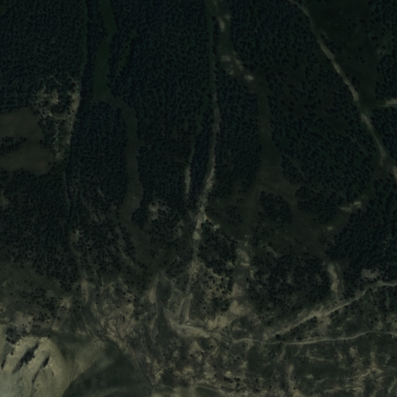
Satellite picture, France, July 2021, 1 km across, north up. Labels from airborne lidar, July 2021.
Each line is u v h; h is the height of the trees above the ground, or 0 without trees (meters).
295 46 18
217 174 8
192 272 0
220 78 8
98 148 13
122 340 0
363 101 0
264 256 0
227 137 7
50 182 10
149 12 20
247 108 20
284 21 17
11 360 0
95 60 12
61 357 0
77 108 0
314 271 10
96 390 0
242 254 0
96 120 19
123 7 16
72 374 0
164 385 0
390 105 0
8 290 0
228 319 0
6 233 8
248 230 0
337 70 0
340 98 13
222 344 0
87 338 0
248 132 13
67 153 7
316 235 0
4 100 14
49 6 13
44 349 0
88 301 0
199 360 0
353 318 0
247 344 0
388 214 20
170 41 13
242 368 0
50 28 10
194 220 0
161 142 12
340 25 0
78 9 15
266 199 10
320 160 22
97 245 8
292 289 6
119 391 0
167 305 0
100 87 0
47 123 8
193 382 0
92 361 0
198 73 15
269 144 0
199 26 16
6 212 8
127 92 17
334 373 0
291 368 0
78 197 9
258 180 0
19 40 9
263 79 0
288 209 9
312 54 16
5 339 0
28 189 13
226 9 0
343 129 0
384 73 15
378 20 18
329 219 12
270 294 9
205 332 0
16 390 0
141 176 12
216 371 0
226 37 0
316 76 0
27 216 12
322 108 0
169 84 21
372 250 13
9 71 7
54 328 0
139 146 0
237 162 12
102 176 10
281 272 8
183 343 0
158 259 0
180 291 0
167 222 10
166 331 0
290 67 0
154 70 8
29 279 0
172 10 17
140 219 11
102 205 8
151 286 0
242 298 0
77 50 25
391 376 0
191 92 16
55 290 0
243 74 0
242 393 0
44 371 0
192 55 12
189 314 0
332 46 12
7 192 7
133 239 0
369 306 0
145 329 0
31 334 0
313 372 0
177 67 12
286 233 0
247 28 12
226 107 14
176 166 10
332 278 0
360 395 0
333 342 0
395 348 0
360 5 0
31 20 14
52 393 0
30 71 10
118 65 22
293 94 14
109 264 6
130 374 0
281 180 0
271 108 14
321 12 0
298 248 0
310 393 0
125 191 12
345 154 21
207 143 9
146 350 0
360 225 10
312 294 7
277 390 0
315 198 8
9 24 14
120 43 15
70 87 19
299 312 0
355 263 8
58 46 10
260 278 8
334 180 14
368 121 0
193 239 0
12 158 0
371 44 0
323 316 0
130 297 0
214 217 0
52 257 9
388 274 7
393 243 9
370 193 0
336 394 0
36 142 0
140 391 0
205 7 18
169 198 12
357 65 0
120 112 19
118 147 15
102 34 13
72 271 7
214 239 7
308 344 0
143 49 14
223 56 0
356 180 19
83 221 9
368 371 0
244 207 0
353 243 15
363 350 0
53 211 7
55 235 7
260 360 0
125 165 11
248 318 0
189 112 19
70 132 0
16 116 0
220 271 6
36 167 0
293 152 21
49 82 14
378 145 0
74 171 7
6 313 0
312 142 22
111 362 0
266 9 25
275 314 0
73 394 0
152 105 14
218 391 0
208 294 0
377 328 0
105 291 0
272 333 0
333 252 8
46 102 17
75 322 0
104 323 0
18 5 18
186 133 9
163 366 0
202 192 0
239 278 0
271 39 7
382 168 0
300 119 0
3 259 0
